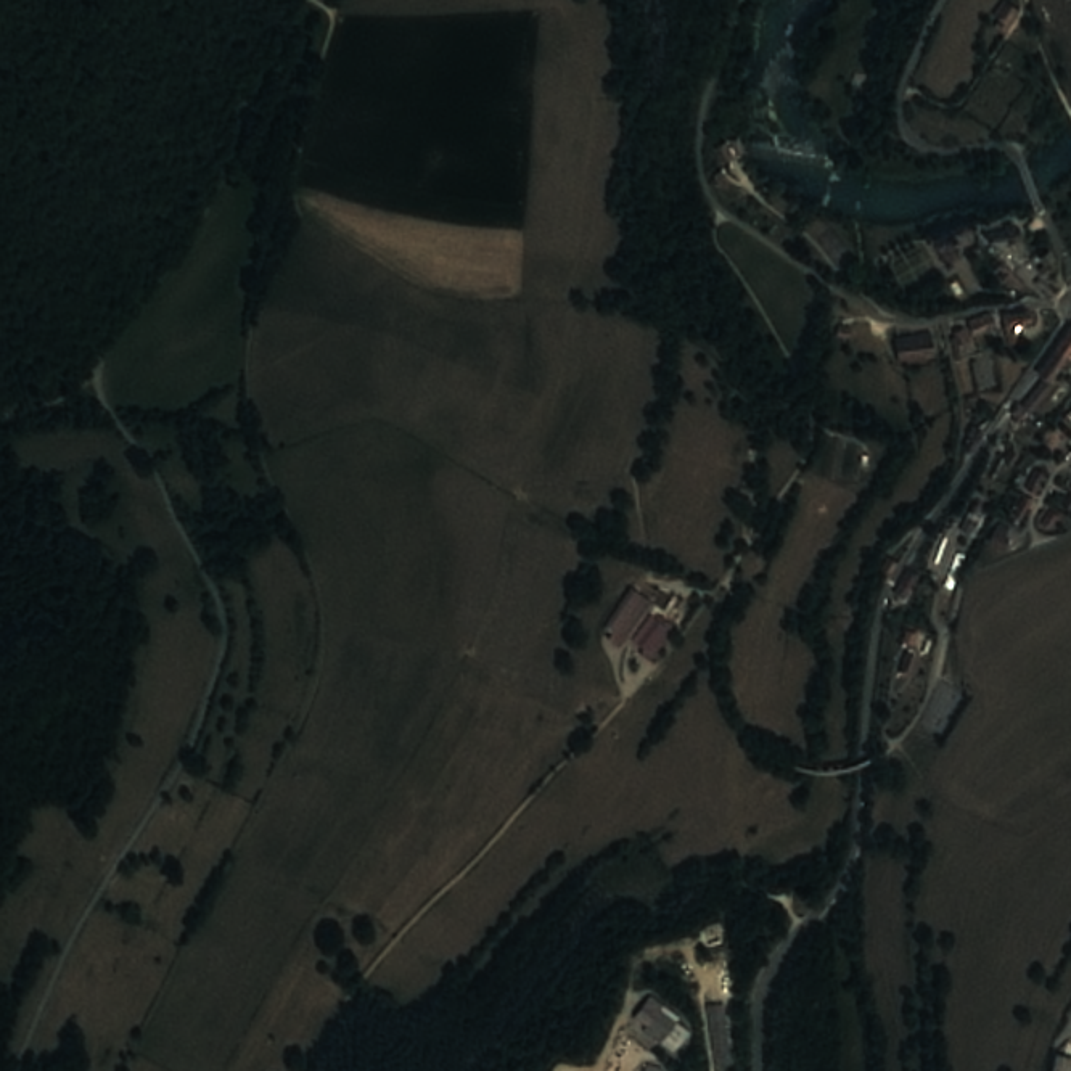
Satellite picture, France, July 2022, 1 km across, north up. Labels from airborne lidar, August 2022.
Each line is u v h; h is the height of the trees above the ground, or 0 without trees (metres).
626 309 12
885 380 0
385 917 0
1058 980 7
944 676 0
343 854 0
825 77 0
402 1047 26
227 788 7
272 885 0
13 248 21
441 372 0
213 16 13
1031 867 0
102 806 23
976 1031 0
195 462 23
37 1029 0
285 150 22
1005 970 0
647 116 20
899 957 0
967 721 0
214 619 20
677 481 0
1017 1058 0
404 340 0
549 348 0
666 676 0
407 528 0
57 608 7
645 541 0
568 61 0
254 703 11
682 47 24
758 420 13
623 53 23
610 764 0
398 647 0
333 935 24
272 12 23
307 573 8
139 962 0
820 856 15
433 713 0
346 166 0
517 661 0
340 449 0
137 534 0
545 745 0
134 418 12
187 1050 0
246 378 6
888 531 13
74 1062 24
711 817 0
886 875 0
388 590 0
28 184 22
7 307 13
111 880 0
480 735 0
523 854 0
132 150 17
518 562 0
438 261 0
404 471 0
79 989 0
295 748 0
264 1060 0
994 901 0
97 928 0
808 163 0
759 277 0
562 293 0
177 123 16
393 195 0
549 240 0
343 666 0
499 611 0
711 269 13
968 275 0
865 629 8
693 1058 14
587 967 22
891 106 20
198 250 0
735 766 0
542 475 0
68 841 0
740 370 10
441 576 0
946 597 0
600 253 0
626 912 19
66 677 21
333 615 0
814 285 14
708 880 19
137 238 21
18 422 18
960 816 0
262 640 9
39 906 0
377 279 0
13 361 7
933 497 12
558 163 0
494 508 0
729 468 0
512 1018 26
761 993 0
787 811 0
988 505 7
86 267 25
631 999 0
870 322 0
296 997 0
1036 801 0
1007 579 0
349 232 0
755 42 9
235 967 0
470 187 0
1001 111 0
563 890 14
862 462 0
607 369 0
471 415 0
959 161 14
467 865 0
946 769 0
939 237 0
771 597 0
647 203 23
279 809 0
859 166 22
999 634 0
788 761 14
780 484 0
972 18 0
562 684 0
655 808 0
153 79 19
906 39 14
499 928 9
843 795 0
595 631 0
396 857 0
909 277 0
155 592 0
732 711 15
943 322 0
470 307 0
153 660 0
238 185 16
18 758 24
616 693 0
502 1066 19
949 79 0
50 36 23
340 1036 18
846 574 0
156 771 0
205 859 0
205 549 7
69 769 23
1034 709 0
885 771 18
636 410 0
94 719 27
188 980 0
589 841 0
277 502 15
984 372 0
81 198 15
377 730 0
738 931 16
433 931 0
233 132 19
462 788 0
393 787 0
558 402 0
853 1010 0
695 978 0
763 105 0
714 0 23
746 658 0
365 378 0
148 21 21
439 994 18
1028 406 0
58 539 23
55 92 16
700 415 0
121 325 23
